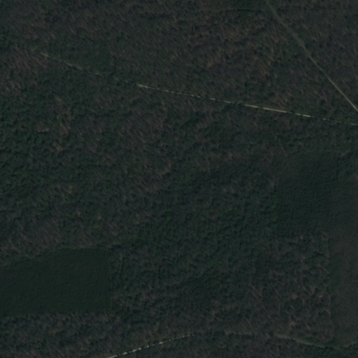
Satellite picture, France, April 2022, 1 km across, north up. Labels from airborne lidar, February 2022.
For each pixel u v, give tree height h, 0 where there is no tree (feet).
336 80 89
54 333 71
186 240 67
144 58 85
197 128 84
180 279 73
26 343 67
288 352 75
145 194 87
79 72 76
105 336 89
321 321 77
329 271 79
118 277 56
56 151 96
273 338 72
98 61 79
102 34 92
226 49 79
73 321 87
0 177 75
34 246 55
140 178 89
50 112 100
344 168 69
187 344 75
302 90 85
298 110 68
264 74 26
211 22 24
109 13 77
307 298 78
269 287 71
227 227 73
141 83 66
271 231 87
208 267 91
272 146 31
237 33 81
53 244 93
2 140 87
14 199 92
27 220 99
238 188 93
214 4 31
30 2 100
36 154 82
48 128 90
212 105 91
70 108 95
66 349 99
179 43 83
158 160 93
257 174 90
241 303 79
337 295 60
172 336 60
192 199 98
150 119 91
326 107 68
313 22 87
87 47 85
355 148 78
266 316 92
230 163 77
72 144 86
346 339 0
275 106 77
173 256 98
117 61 79
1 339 83
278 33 84
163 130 43
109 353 79
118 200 97
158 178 98
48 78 80
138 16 80
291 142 81
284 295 72
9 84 93
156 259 43
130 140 97
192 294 34
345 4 86
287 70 86
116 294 83
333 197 52
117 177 82
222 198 84
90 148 95
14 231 77
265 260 40
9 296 34
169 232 75
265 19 84
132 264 86
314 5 97
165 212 93
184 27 84
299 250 78
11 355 89
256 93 86
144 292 86
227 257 97
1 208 82
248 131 40
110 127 85
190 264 89
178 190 82
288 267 44
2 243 43
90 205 85
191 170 78
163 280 67
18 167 83
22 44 73
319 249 85
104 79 78
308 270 81
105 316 80
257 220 84
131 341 76
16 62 79
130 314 47
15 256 66
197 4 34
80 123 75
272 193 79
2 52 77
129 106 88
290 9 79
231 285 79
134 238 74
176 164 89
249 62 90
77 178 84
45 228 93
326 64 84
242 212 94
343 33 97
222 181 96
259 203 84
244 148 90
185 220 88
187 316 91
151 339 87
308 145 71
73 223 84
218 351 28
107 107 82
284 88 82
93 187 88
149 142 91
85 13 83
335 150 66
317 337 80
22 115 85
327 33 83
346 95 67
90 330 84
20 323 80
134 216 93
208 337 75
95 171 87
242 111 80
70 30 91
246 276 78
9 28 80
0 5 84
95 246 83
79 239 87
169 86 79
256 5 37
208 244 79
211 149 94
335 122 62
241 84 89
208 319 81
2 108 93
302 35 82
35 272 35
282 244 83
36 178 92
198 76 84
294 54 80
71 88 79
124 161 94
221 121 85
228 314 41
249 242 86
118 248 37
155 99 86
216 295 25
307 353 52
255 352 73
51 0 103
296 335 76
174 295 93
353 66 85
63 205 102
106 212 85
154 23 91
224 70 78
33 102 89
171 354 80
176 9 79
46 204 94
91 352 84
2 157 88
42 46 84
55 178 88
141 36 85
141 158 89
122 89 76
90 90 80
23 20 91
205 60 93
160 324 32
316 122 80
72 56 74
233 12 26
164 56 87
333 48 90
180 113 89
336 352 80
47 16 40
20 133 36
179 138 93
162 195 89
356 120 68
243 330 71
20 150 78
